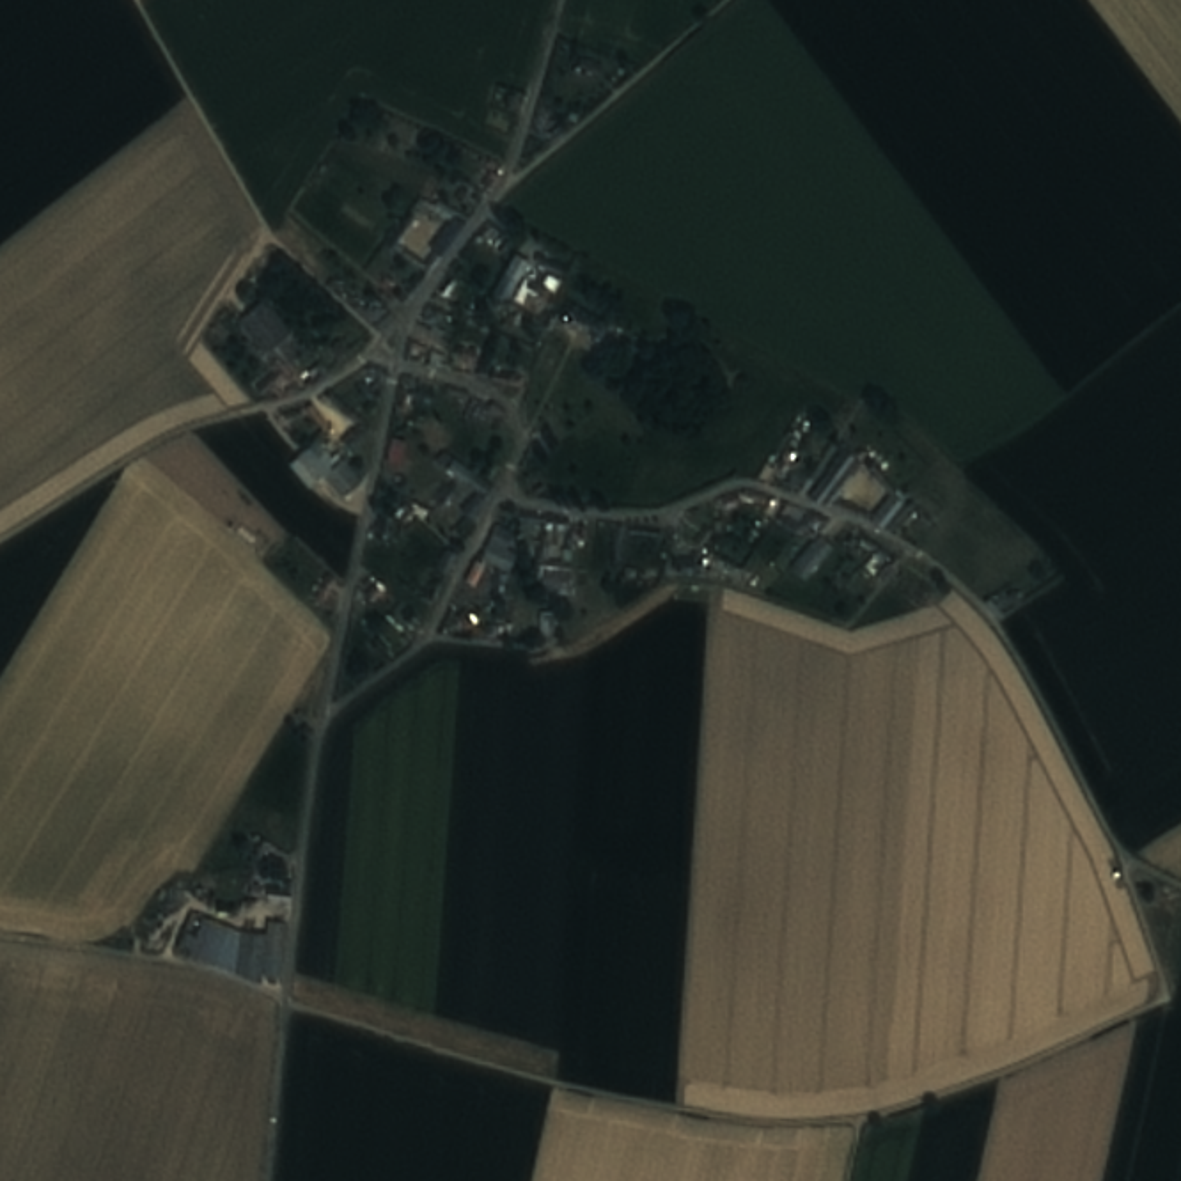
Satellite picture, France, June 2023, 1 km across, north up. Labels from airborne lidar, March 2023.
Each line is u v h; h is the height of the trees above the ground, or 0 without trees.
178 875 0
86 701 0
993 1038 0
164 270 0
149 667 0
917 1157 0
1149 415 0
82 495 0
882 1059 0
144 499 0
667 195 0
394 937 0
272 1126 0
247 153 0
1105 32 0
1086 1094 0
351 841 0
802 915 0
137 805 0
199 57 0
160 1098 0
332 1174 0
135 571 0
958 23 0
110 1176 0
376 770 0
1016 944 0
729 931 0
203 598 0
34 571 0
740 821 0
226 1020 0
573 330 0
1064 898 0
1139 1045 0
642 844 0
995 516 0
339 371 0
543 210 0
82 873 0
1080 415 0
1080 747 0
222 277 0
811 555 0
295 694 0
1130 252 0
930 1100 11
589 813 0
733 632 0
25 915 0
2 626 0
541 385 0
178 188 0
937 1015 0
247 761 0
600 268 0
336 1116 0
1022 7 0
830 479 0
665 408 16
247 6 0
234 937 0
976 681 0
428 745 0
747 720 0
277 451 0
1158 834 0
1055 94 0
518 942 0
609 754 0
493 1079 0
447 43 0
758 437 0
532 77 0
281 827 0
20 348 0
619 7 0
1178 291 0
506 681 0
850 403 0
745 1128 0
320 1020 0
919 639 0
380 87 0
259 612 0
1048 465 0
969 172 0
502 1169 0
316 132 0
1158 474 0
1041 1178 0
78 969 0
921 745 0
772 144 0
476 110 0
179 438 0
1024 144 0
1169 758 0
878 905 0
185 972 0
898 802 0
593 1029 0
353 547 0
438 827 0
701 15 13
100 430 0
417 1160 0
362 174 0
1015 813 0
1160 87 0
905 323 0
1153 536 0
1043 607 0
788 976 0
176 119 0
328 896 0
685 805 0
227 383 0
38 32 0
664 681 0
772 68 0
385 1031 0
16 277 0
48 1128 0
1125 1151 0
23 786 0
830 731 0
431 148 15
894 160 0
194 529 0
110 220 0
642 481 0
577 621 0
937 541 0
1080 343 0
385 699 0
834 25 0
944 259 0
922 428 0
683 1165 0
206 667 0
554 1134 0
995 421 0
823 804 0
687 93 0
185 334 0
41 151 0
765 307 0
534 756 0
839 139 0
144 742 0
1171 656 0
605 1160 0
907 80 0
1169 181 0
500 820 0
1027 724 0
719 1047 0
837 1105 0
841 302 0
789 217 0
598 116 0
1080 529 0
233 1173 0
